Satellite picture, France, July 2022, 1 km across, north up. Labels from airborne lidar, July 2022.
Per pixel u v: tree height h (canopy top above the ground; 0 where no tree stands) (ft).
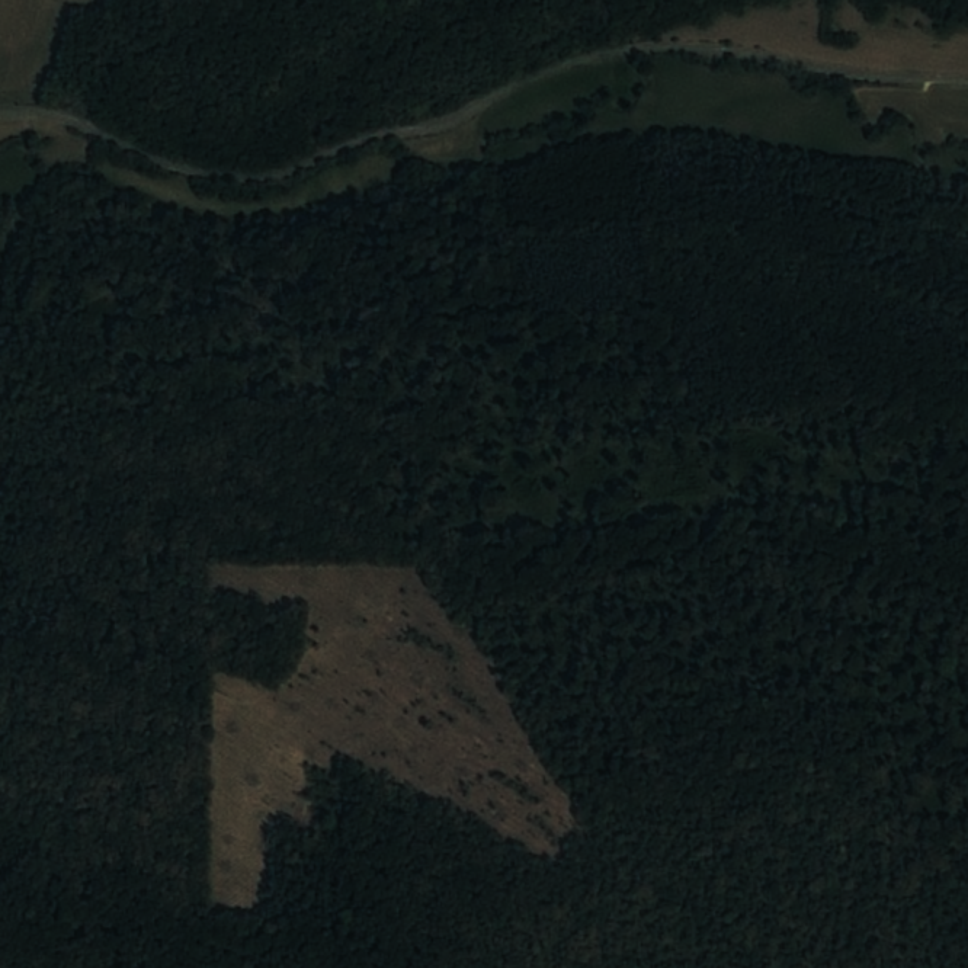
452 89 38
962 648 79
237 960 79
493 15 57
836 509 86
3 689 53
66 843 62
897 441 67
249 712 0
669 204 58
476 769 0
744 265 72
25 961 63
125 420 66
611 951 56
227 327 77
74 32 72
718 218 78
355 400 59
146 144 61
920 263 85
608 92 40
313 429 79
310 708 0
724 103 0
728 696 69
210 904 64
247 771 0
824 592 82
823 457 83
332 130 70
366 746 0
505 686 63
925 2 60
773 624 71
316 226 124
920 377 89
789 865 48
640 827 45
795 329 68
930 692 70
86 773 59
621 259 63
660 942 39
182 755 69
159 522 66
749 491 21
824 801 53
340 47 58
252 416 64
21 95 0
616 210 54
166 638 73
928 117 0
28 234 60
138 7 65
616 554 94
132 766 69
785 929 24
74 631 74
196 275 76
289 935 84
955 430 89
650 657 83
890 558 87
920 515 68
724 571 70
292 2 61
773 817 50
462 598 73
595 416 68
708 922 39
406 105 51
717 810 55
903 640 77
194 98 51
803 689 89
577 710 69
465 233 82
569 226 59
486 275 95
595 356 98
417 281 85
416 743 0
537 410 82
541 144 0
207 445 63
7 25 0
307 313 73
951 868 61
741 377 81
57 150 0
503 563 95
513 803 0
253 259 81
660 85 0
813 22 0
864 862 58
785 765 47
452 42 64
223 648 66
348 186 0
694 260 67
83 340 73
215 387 66
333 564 63
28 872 65
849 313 80
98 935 84
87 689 56
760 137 0
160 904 77
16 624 73
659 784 66
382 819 65
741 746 66
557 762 66
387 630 0
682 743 75
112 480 64
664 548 92
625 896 43
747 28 0
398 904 75
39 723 49
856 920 53
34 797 49
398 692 0
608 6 66
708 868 42
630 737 74
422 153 0
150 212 67
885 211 53
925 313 65
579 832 45
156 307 77
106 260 79
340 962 86
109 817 57
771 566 80
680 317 84
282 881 59
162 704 71
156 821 60
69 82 54
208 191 49
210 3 60
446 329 89
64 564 72
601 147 71
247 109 54
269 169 61
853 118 46
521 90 0
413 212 85
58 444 60
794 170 64
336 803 44
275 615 71
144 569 77
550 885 62
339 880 66
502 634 78
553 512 0
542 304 75
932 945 51
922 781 92
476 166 38
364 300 79
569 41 67
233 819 0
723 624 76
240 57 54
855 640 80
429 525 76
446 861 72
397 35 68
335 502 77
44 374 58
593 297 70
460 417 91
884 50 0
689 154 44
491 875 61
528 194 54
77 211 83
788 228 84
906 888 67
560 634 82
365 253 93
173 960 76
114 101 69
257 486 76
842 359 78
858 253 83
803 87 50
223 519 76
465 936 64
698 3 45
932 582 76
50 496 64
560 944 37
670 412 65
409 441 80
